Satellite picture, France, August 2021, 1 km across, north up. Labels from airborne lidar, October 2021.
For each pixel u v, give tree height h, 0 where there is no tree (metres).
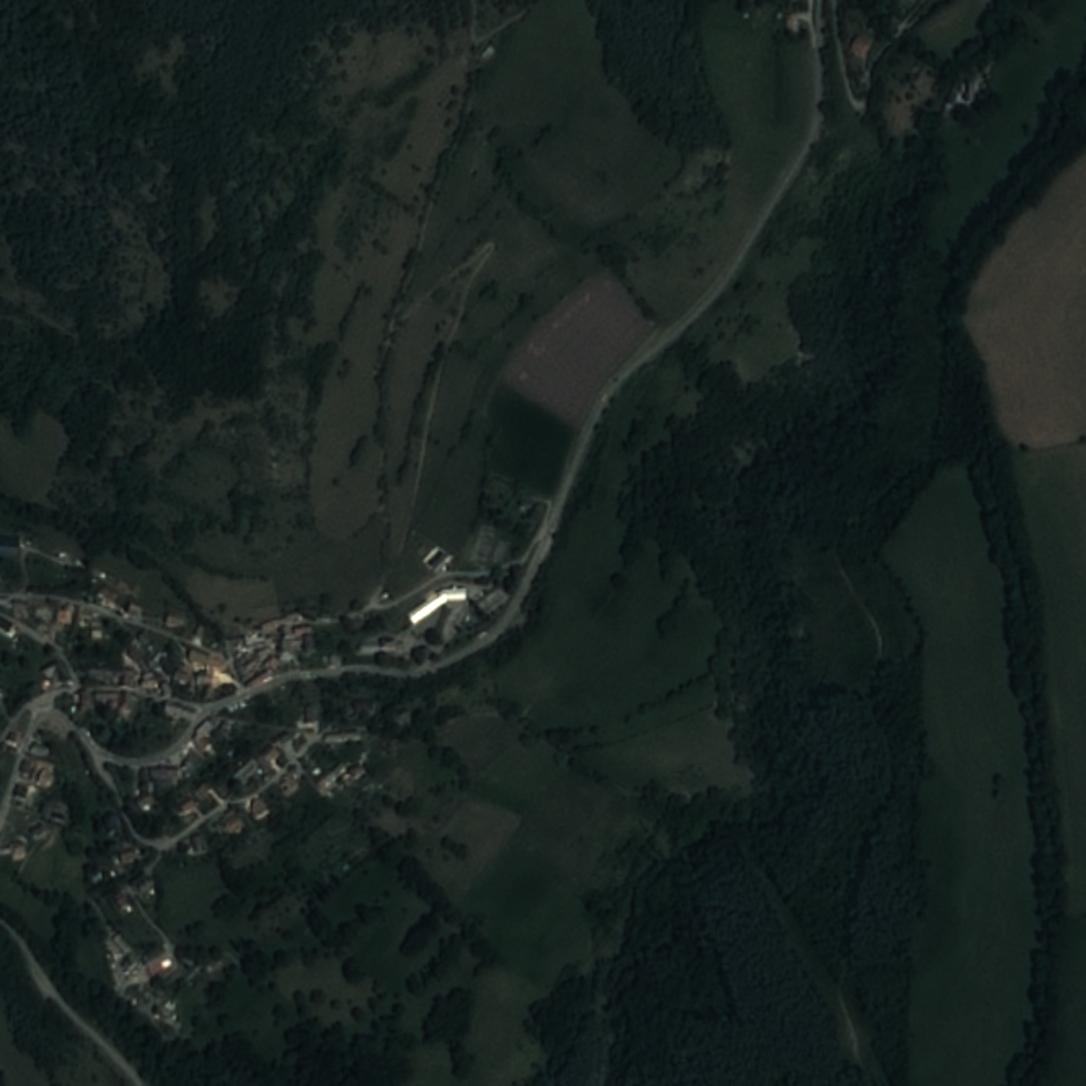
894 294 13
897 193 11
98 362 11
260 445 0
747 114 0
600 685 0
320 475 0
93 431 17
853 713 26
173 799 8
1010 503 18
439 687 11
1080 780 0
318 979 0
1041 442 0
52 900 17
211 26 13
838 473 21
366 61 0
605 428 7
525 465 0
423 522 0
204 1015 11
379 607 0
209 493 0
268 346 10
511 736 0
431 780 0
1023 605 13
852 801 26
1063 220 0
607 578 0
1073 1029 0
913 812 15
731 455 13
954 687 0
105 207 8
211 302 6
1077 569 0
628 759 0
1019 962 0
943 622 0
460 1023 10
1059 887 17
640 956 25
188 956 12
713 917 21
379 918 11
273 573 0
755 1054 28
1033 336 0
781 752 15
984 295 0
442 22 7
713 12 0
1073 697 0
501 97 0
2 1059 0
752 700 8
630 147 0
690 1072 22
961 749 0
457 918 19
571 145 0
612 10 14
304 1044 16
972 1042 0
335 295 0
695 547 22
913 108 6
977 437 15
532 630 12
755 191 0
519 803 0
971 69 14
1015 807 0
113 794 10
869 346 20
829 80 10
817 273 9
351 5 12
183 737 0
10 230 13
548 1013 15
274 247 12
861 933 28
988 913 0
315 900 6
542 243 0
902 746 12
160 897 11
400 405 0
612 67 12
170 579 6
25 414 14
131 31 11
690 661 0
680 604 12
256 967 21
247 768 0
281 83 12
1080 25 0
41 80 15
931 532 0
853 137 0
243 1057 20
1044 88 0
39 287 12
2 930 13
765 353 0
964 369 17
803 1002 21
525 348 0
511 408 0
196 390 12
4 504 18
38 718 0
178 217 15
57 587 8
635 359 0
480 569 0
